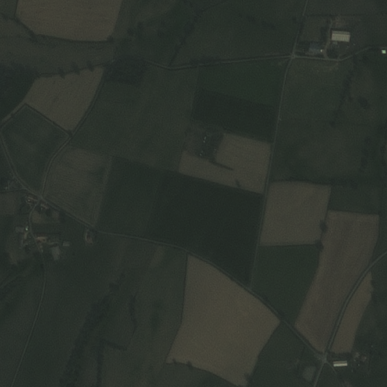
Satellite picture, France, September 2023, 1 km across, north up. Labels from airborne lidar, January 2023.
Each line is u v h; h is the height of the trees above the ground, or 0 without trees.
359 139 0
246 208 0
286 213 0
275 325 0
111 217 0
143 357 0
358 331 0
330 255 0
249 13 0
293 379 0
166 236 0
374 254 0
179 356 0
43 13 0
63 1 0
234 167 0
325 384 0
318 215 0
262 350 0
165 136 0
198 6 0
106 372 0
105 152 0
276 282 0
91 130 0
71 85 0
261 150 0
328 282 0
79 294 0
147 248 0
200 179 0
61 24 0
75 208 0
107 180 0
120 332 0
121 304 0
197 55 0
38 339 0
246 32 0
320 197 0
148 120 0
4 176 0
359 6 0
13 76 16
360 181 0
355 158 0
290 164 0
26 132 0
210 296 0
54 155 0
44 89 0
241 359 0
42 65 0
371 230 0
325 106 0
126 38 0
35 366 0
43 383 0
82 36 0
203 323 0
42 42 0
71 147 0
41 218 0
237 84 0
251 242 0
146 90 0
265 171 0
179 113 0
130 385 0
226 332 0
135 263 0
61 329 0
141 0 0
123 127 0
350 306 0
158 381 0
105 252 0
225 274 0
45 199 0
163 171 0
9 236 0
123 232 0
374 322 0
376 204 0
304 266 0
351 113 0
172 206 0
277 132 0
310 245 0
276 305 0
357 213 0
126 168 0
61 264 0
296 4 0
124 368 0
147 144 0
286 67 0
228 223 0
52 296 0
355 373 6
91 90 0
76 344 13
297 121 0
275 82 0
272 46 0
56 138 0
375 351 7
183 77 0
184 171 0
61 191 0
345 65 0
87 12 0
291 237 0
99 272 0
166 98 0
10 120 0
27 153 0
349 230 0
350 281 0
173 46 0
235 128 0
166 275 0
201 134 0
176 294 0
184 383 0
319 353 0
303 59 0
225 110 0
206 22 0
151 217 0
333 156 0
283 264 0
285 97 0
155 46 0
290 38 0
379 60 0
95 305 11
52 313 0
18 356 0
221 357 0
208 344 0
